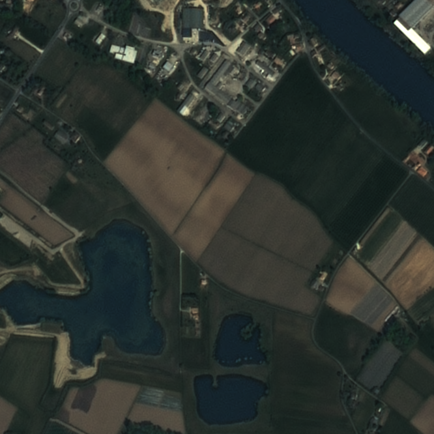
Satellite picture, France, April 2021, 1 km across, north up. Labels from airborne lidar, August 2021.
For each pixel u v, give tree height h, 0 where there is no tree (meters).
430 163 11
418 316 0
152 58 0
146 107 0
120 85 0
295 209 0
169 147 0
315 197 0
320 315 0
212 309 0
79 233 0
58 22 0
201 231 0
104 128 0
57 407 6
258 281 0
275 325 0
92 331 0
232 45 0
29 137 10
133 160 0
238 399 0
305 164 0
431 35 0
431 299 0
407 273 0
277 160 0
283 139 0
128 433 10
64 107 0
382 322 0
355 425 0
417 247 0
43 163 13
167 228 0
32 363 0
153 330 0
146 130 0
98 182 0
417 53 8
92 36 0
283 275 0
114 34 12
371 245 0
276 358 0
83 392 0
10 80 7
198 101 0
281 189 0
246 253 0
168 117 0
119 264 0
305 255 0
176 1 0
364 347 0
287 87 0
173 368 0
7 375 0
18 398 0
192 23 0
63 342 0
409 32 0
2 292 0
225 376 0
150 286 0
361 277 0
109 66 0
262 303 0
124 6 23
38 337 0
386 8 9
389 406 0
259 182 0
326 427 0
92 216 0
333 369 0
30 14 0
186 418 0
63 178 0
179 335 0
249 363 0
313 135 0
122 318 0
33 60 8
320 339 0
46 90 7
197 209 0
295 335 0
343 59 14
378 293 0
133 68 9
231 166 0
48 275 0
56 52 0
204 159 0
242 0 13
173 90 0
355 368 0
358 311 0
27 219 0
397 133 0
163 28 0
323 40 7
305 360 0
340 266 0
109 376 0
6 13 19
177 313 0
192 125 0
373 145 0
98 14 0
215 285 0
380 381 0
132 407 0
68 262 0
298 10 9
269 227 0
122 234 0
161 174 0
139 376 0
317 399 0
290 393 0
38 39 0
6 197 0
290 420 0
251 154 0
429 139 12
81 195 0
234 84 0
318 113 0
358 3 7
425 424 0
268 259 0
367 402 0
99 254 0
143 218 0
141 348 0
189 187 0
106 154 0
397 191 0
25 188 9
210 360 0
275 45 6
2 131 9
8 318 0
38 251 0
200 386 0
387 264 0
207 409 0
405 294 0
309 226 0
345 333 0
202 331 0
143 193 0
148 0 0
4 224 0
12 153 13
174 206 0
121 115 0
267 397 0
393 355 0
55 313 0
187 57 0
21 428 0
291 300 0
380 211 0
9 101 0
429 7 0
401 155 0
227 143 7
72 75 0
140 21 0
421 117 14
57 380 0
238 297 0
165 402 0
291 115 0
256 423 0
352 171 0
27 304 0
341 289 0
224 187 0
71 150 0
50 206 0
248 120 0
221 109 13
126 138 0
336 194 0
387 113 0
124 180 0
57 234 0
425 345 0
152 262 0
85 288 0
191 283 0
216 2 13
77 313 0
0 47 7
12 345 0
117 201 0
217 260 0
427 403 0
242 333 12
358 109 0
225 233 0
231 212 0
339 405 0
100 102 0
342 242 0
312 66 0
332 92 0
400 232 0
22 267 0
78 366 0
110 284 0
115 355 0
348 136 0
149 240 8
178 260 0
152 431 24
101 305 0
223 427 0
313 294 0
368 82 10
